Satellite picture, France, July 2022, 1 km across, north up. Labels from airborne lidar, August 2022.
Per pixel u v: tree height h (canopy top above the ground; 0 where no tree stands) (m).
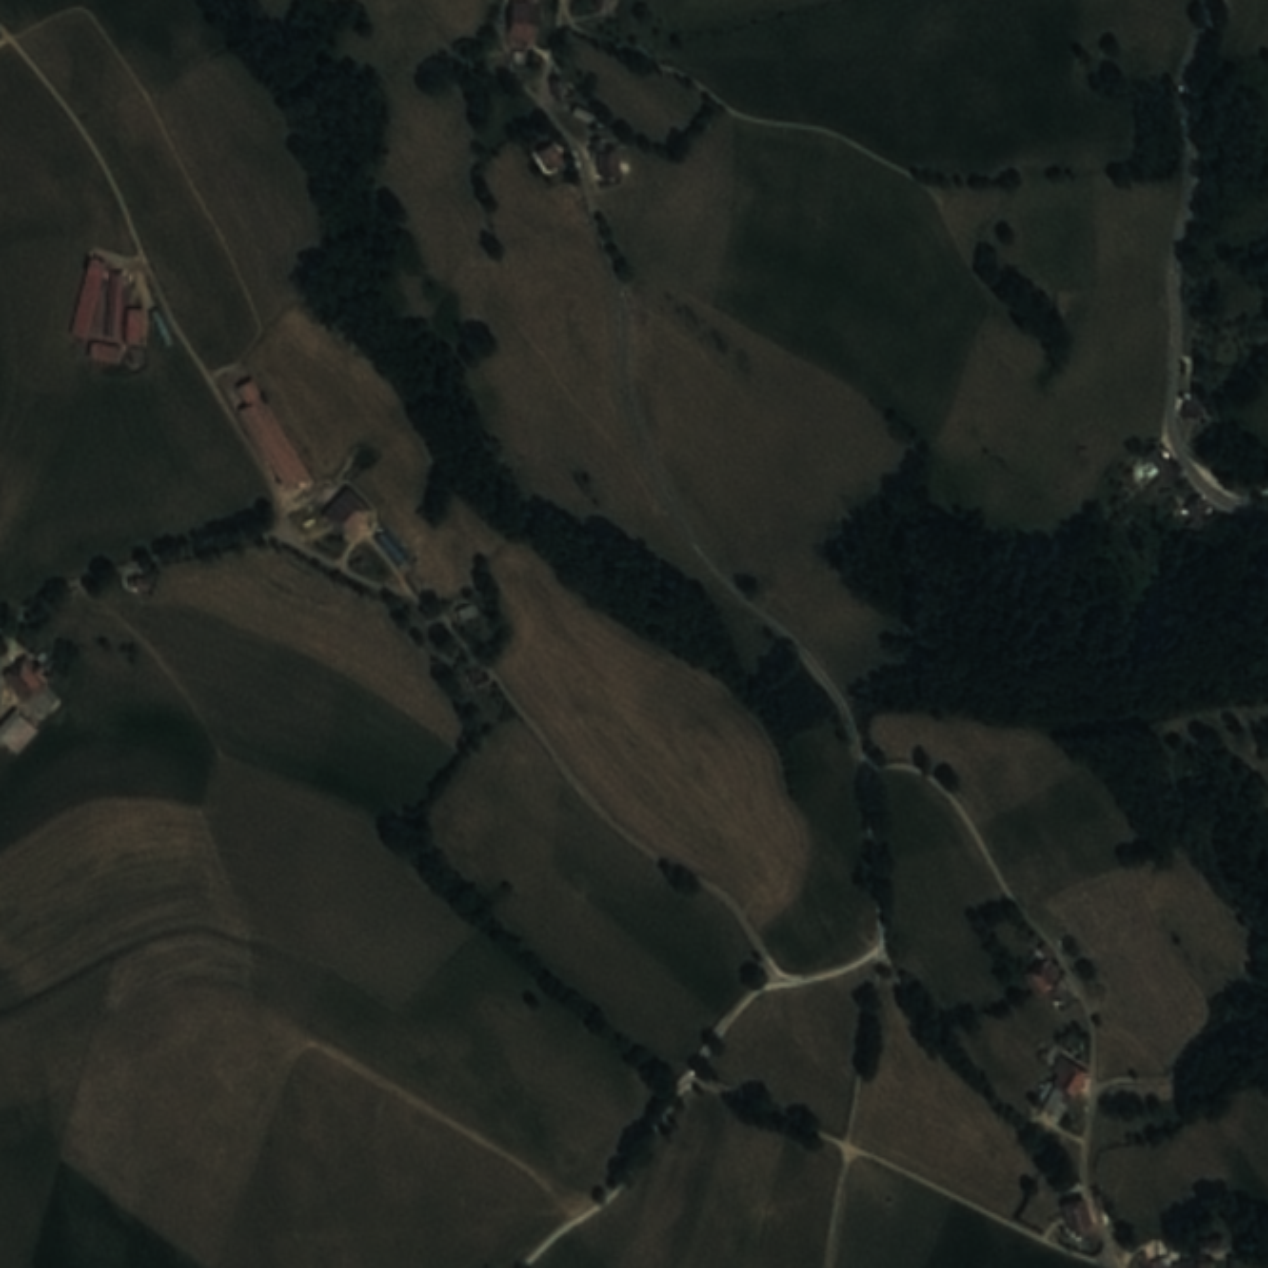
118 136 0
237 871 0
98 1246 0
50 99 0
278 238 0
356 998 0
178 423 0
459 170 0
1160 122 20
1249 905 20
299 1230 0
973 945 0
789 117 0
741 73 0
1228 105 28
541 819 0
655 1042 0
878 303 0
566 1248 0
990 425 0
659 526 0
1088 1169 0
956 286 0
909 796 0
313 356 0
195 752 0
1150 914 0
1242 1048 19
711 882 0
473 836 0
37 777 0
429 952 0
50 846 0
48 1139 0
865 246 0
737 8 0
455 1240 0
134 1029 0
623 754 0
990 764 0
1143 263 0
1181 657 29
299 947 0
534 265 0
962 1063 18
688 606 23
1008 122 0
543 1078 0
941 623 37
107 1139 0
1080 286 0
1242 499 0
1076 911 0
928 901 0
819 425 0
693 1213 0
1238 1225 19
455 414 24
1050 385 0
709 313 0
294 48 30
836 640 0
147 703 0
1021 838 0
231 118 0
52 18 0
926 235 0
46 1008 0
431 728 0
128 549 0
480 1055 0
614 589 25
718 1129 0
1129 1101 18
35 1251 0
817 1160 0
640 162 0
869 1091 0
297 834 0
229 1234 0
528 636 0
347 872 0
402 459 0
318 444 0
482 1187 0
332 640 0
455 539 0
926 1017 23
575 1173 0
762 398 0
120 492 0
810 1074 0
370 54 0
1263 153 21
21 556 0
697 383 0
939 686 23
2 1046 0
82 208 0
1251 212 0
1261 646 28
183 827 0
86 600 0
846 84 0
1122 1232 10
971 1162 0
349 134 30
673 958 0
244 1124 0
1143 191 0
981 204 0
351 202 23
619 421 0
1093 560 12
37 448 0
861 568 26
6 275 0
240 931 0
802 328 0
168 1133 0
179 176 0
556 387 0
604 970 0
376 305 18
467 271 0
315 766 0
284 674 0
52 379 0
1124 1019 0
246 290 0
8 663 0
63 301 0
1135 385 0
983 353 0
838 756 0
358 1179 0
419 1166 0
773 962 0
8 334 0
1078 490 0
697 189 0
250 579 0
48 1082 0
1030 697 26
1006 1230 0
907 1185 0
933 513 11
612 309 0
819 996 0
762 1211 0
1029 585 26
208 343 0
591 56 0
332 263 21
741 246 0
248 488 0
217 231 0
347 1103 0
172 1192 0
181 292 0
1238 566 18
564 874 0
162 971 0
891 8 0
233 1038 0
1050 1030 0
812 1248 0
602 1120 0
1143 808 22
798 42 0
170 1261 0
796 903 0
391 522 0
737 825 0
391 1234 0
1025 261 0
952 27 0
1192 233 12
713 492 0
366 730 0
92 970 0
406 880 0
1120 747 26
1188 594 25
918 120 0
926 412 0
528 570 0
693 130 7
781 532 0
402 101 0
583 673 0
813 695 19
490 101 20
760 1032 0
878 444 0
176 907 0
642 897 0
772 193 0
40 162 0
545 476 0
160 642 0
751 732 0
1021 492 0
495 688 6
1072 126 0
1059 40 0
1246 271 20
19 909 0
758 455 0
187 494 0
